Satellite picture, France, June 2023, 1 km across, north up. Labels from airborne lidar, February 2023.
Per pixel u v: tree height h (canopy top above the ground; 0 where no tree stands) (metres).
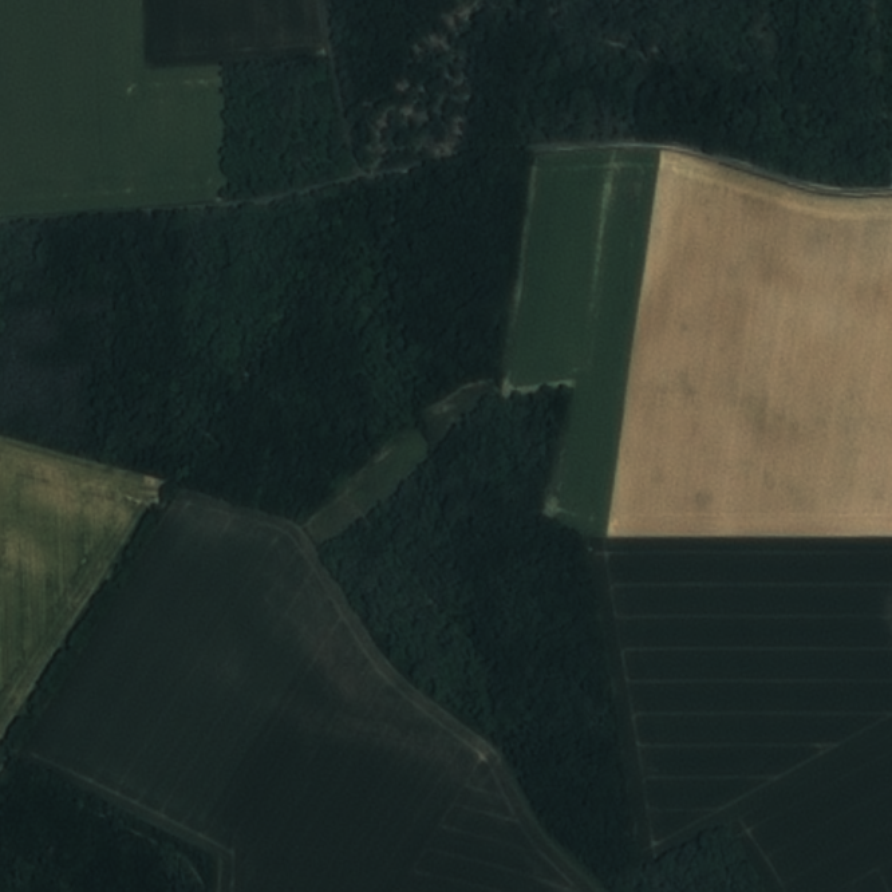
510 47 29
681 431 0
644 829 0
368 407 21
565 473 0
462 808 0
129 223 23
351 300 18
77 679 0
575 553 23
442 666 19
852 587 0
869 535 0
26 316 13
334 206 12
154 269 26
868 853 0
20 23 0
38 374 10
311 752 0
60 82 0
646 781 0
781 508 0
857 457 0
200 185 0
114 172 0
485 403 16
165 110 0
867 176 14
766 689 0
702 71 28
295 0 0
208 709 0
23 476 0
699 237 0
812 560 0
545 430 21
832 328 0
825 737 0
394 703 0
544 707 21
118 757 0
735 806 0
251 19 0
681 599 0
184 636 0
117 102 0
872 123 18
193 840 0
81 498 0
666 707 0
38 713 18
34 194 0
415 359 23
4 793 12
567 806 20
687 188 0
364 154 21
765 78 23
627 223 0
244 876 0
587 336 0
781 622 0
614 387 0
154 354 18
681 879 21
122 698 0
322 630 0
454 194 25
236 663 0
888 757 0
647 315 0
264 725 0
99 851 8
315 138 22
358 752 0
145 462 14
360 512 0
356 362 21
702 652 0
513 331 0
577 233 0
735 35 26
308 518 9
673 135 26
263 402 13
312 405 15
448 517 23
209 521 0
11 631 0
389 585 21
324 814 0
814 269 0
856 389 0
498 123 26
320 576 0
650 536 0
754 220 0
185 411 18
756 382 0
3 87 0
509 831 0
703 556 0
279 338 21
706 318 0
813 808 0
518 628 19
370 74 19
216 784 0
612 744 14
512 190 22
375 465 0
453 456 6
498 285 27
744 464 0
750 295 0
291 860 0
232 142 19
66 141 0
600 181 0
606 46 22
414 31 19
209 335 21
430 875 0
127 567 12
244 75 17
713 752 0
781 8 19
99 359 9
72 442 8
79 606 0
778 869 0
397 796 0
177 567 0
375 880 0
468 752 0
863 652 0
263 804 0
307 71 21
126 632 0
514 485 23
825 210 0
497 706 19
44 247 22
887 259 0
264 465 18
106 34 0
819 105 19
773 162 18
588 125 19
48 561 0
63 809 10
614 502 0
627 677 0
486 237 23
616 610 0
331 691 0
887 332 0
